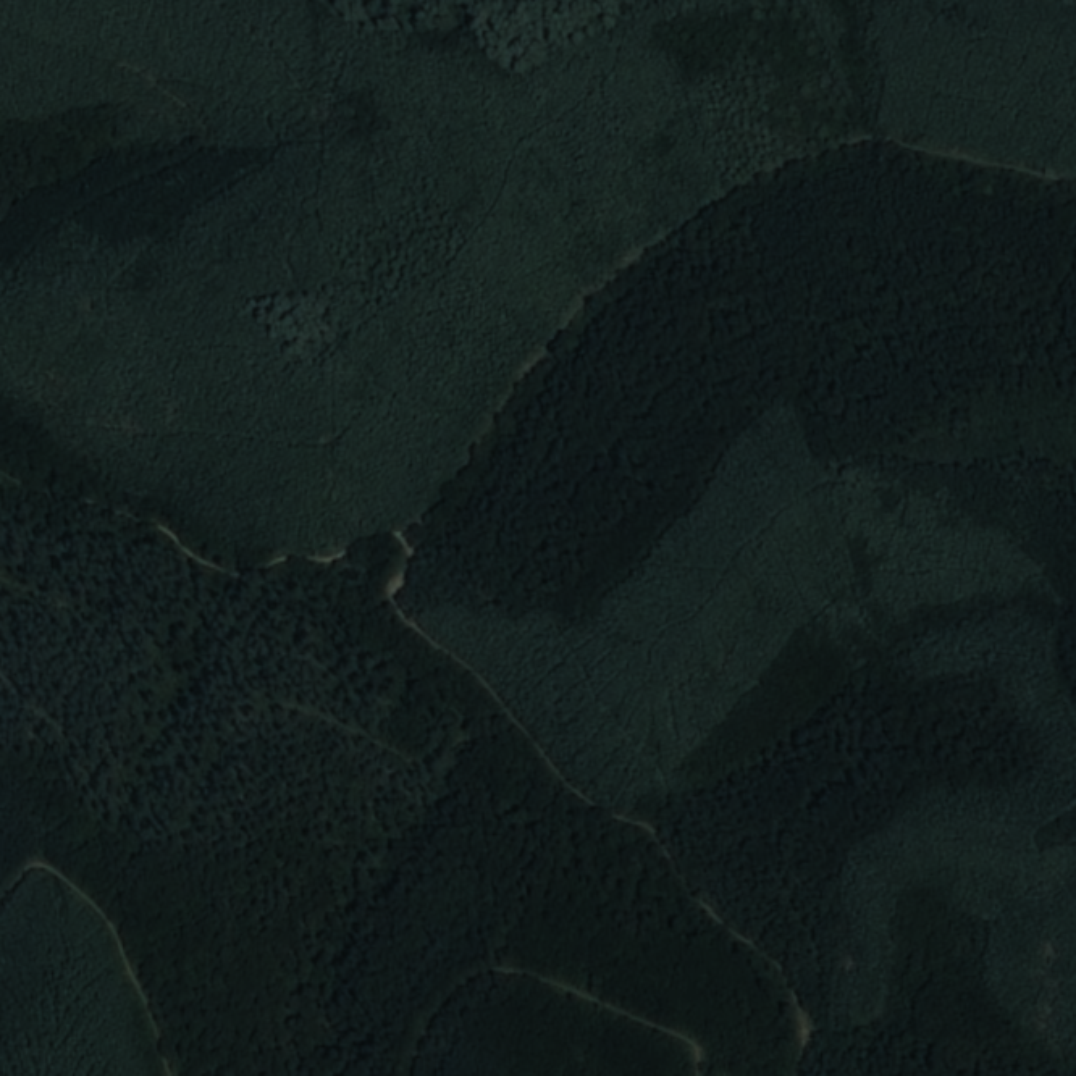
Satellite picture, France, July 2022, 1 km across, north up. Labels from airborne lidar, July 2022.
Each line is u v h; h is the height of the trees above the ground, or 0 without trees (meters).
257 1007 23
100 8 12
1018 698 11
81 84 14
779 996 25
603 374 16
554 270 12
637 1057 12
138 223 13
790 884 18
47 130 21
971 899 11
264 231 13
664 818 17
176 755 38
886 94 14
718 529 15
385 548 13
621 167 19
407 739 17
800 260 17
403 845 29
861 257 23
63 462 18
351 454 14
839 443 17
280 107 9
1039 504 16
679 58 16
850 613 21
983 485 18
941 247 17
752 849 16
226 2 17
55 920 11
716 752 14
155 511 16
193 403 11
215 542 13
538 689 11
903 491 7
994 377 18
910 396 20
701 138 22
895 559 12
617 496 22
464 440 13
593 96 19
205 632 7
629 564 12
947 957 11
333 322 19
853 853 13
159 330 12
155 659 41
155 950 14
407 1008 24
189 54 13
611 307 18
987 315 15
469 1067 15
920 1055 22
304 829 11
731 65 16
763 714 18
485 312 13
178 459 9
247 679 30
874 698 13
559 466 17
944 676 7
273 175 15
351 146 13
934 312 8
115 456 9
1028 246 20
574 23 30
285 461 12
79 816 10
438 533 16
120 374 7
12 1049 11
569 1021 11
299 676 32
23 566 32
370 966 22
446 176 17
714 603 11
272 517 13
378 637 23
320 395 13
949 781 14
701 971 12
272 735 25
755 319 13
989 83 12
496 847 31
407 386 16
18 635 7
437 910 18
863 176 15
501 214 18
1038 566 8
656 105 15
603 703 11
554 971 10
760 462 15
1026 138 12
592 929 11
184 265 10
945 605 10
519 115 16
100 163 14
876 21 16
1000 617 11
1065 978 10
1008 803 14
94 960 13
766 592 15
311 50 12
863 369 21
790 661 14
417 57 17
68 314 12
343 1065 32
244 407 12
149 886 19
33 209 12
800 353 16
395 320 18
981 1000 11
